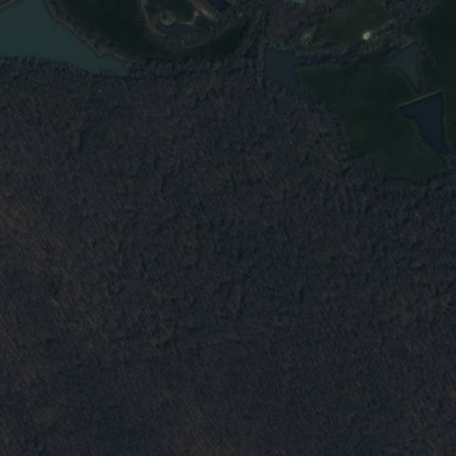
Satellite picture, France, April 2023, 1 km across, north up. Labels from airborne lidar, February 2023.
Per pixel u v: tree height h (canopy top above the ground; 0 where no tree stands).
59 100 14
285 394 22
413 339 22
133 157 26
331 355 23
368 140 0
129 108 22
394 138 0
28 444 24
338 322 26
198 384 26
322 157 19
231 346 25
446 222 25
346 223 27
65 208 25
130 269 23
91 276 25
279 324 13
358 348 24
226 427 28
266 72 0
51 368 25
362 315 25
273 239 29
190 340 21
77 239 22
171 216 28
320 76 0
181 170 13
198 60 10
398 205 26
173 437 25
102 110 19
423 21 0
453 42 0
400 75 0
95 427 24
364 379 23
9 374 20
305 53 16
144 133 16
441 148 0
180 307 24
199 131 21
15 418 25
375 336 26
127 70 0
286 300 20
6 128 13
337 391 24
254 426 28
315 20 15
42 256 23
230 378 20
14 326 25
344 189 24
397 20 18
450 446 22
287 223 25
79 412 23
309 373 22
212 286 28
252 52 0
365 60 0
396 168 0
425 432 13
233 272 27
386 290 25
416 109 0
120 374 22
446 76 0
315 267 18
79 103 12
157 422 25
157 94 19
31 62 7
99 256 27
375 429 26
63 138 23
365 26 0
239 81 17
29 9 0
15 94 17
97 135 21
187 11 0
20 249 25
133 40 0
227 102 20
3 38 0
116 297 27
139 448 21
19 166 25
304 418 27
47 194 20
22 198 25
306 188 17
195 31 0
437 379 27
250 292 27
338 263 20
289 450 28
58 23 0
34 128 23
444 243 13
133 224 21
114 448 22
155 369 25
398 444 24
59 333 25
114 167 20
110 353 24
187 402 29
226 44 0
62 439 27
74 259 20
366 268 24
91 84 9
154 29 0
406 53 0
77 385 19
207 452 24
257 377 26
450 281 25
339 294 27
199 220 25
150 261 21
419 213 21
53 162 20
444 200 19
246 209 26
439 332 22
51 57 0
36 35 0
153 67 22
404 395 27
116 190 26
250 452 27
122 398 23
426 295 23
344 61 0
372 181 17
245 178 25
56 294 24
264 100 23
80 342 22
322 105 15
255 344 24
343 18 0
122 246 24
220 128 19
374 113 0
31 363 21
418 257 27
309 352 23
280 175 24
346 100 0
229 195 27
